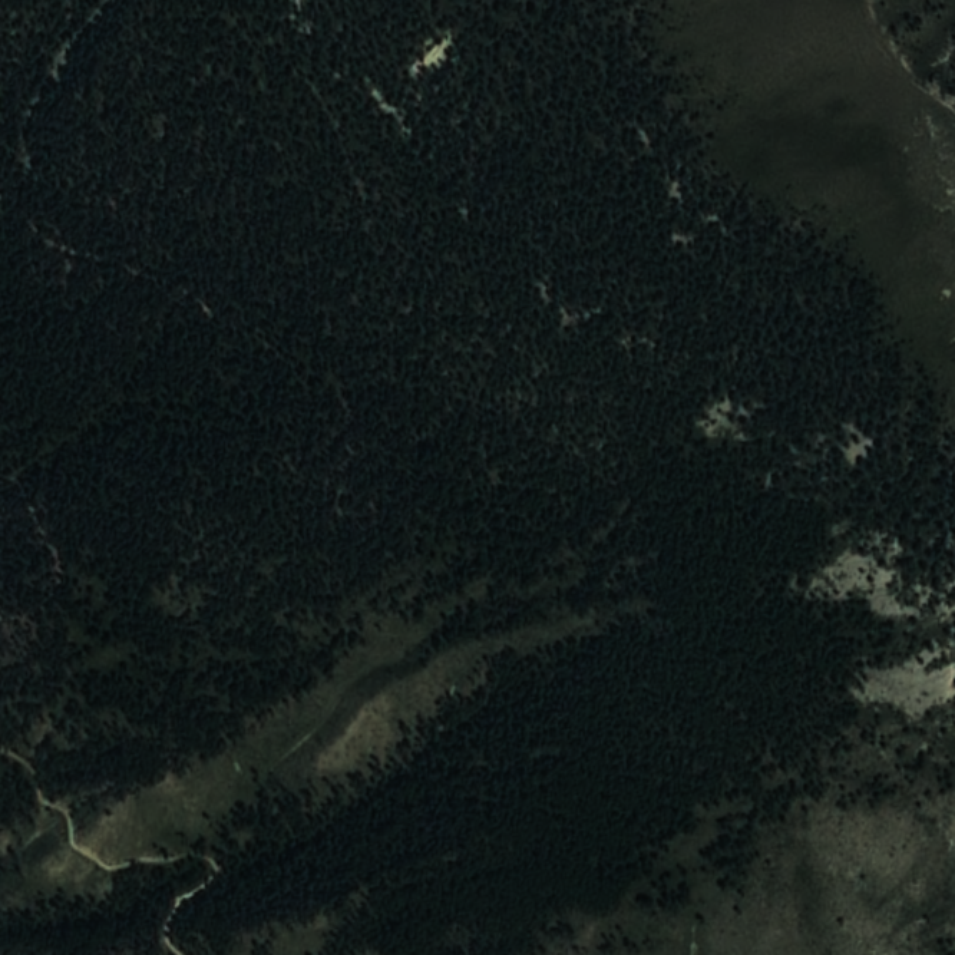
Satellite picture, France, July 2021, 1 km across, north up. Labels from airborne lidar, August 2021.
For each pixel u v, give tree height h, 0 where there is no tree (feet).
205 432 34
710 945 0
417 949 71
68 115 35
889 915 0
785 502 29
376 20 40
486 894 47
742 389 45
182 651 29
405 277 34
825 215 0
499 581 29
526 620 28
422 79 31
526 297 30
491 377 42
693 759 39
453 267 42
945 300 0
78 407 64
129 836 0
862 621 24
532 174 35
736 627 41
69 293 40
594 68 41
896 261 0
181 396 73
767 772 42
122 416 25
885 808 0
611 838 57
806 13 0
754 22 0
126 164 49
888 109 0
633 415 29
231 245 47
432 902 65
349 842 31
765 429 25
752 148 0
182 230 32
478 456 31
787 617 48
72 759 58
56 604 33
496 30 29
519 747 42
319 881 54
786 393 35
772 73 0
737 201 26
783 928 0
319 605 49
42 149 38
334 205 38
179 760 27
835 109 0
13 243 56
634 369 31
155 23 29
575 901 47
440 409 32
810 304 39
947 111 0
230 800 0
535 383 40
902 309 0
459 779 44
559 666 51
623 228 50
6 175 46
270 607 23
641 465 34
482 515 32
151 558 52
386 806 54
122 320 42
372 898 42
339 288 31
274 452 35
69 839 0
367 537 31
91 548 46
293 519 23
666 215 42
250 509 45
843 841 0
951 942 34
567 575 51
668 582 43
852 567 0
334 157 27
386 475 48
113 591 47
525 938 58
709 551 47
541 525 56
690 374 39
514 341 37
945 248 0
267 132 33
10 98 43
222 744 63
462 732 50
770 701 43
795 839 0
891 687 0
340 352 42
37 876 0
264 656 56
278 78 45
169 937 50
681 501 44
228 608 47
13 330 59
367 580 39
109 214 36
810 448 41
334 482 31
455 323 50
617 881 52
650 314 31
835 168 0
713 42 0
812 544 33
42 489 40
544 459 31
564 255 26
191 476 34
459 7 23
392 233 31
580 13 39
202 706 26
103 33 35
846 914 0
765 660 41
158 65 47
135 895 60
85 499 31
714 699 36
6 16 29
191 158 45
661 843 34
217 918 45
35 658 42
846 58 0
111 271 51
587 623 0
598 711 47
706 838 0
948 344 0
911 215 0
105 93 21
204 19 28
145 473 39
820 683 38
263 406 40
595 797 59
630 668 33
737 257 27
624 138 31
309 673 37
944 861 0
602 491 47
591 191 32
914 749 0
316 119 24
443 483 54
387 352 33
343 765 0
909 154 0
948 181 0
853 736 0
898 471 21
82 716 58
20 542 56
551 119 45
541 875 55
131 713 42
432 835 26
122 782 44
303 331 39
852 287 34
